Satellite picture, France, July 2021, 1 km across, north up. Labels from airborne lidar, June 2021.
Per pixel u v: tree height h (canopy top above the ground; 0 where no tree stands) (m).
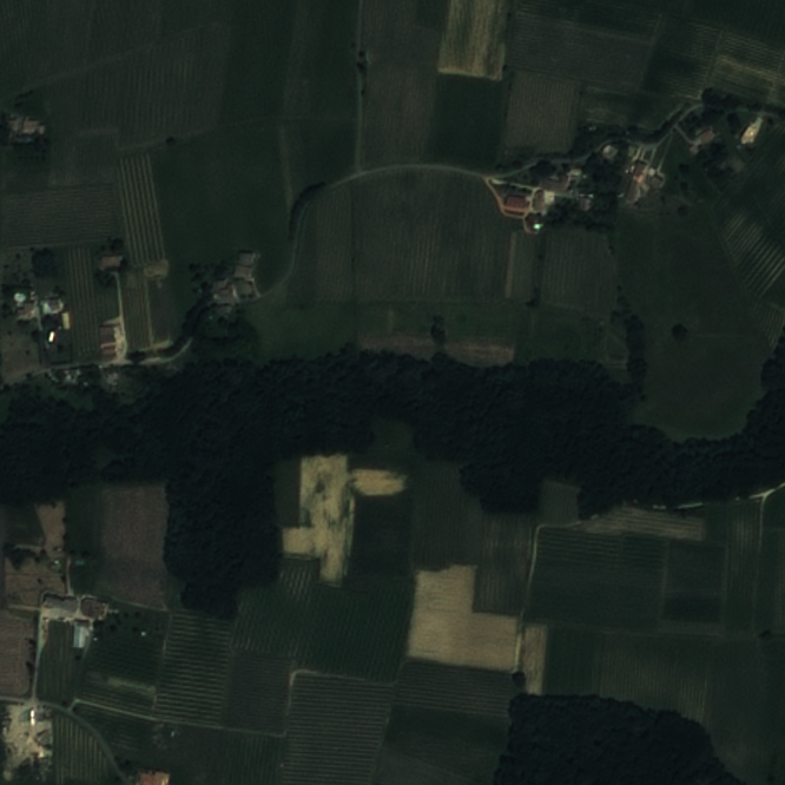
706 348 0
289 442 26
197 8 0
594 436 20
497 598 0
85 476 15
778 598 0
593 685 0
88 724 0
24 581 0
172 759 0
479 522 0
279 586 0
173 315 0
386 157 0
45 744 0
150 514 0
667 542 0
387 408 27
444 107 0
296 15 0
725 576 0
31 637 0
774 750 0
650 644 0
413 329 0
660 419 0
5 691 0
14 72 0
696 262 0
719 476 21
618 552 0
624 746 24
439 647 0
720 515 0
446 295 0
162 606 0
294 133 0
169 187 0
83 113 0
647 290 0
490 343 0
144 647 0
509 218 0
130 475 14
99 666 0
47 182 0
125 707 0
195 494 27
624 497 16
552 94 0
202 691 0
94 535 0
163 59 0
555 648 0
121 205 0
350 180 0
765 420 14
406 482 0
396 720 0
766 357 0
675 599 0
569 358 0
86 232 0
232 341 17
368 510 0
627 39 0
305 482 0
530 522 0
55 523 0
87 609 0
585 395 27
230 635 0
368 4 0
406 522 0
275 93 0
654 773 17
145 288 0
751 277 0
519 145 0
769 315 0
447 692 0
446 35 0
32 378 12
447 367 22
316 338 0
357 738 0
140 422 20
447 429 22
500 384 14
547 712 24
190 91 0
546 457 22
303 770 0
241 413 25
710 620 0
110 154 0
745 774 0
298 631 0
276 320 0
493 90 0
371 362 34
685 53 0
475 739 0
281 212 0
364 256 0
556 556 0
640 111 0
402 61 0
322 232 0
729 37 0
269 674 0
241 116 0
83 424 17
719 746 0
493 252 0
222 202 0
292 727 0
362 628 0
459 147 0
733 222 0
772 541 0
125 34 0
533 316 0
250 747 0
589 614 0
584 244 0
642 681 0
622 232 0
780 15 0
